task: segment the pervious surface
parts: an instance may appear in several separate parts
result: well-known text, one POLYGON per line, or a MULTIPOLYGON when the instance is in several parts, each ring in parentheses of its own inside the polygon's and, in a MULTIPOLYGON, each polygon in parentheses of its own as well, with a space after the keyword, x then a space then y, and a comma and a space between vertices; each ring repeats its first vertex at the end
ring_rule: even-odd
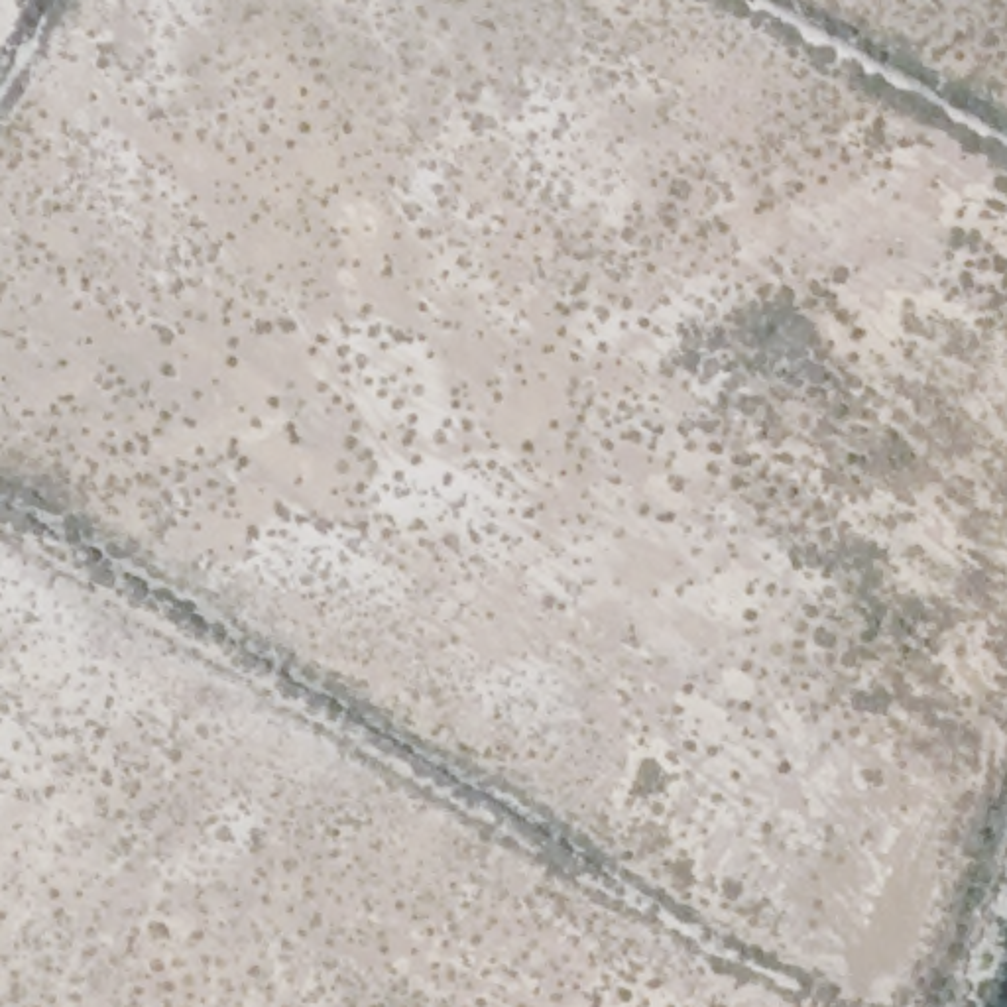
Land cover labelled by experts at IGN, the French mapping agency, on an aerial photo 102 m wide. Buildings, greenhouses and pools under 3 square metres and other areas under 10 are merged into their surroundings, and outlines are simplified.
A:
POLYGON ((956 991, 944 1007, 1007 1007, 1007 897, 999 893, 972 909, 968 960, 956 964, 956 991))
POLYGON ((791 24, 806 43, 834 51, 834 59, 822 71, 814 71, 814 63, 787 55, 787 47, 771 31, 751 28, 740 16, 716 12, 704 0, 79 0, 79 8, 71 8, 63 24, 51 31, 47 59, 35 55, 35 39, 20 47, 16 67, 31 83, 24 98, 8 114, 0 114, 0 448, 20 448, 28 456, 59 452, 63 468, 71 472, 71 511, 138 539, 142 551, 153 551, 142 566, 134 566, 130 559, 114 559, 110 582, 98 586, 87 570, 87 555, 79 555, 67 539, 24 535, 24 543, 16 543, 12 551, 0 543, 0 1007, 791 1007, 779 995, 767 995, 771 983, 799 987, 791 976, 775 968, 747 960, 747 983, 712 972, 712 956, 736 960, 736 952, 724 948, 728 932, 791 964, 826 972, 826 979, 838 983, 842 999, 881 1007, 885 1007, 897 987, 913 983, 913 968, 928 956, 932 936, 944 920, 944 905, 956 897, 956 885, 968 869, 968 854, 944 838, 944 830, 952 826, 956 799, 964 791, 987 791, 987 779, 1007 783, 1007 130, 952 106, 948 83, 960 79, 987 102, 1007 98, 1007 0, 814 0, 822 8, 834 8, 842 20, 865 20, 873 28, 873 39, 885 39, 885 31, 905 35, 909 51, 940 75, 932 87, 924 87, 889 63, 869 59, 854 43, 814 28, 802 16, 806 0, 751 0, 751 12, 767 12, 791 24), (869 94, 858 94, 850 87, 850 67, 861 67, 865 75, 932 102, 952 122, 987 138, 983 149, 964 153, 936 126, 924 126, 873 102, 869 94), (535 822, 559 818, 574 834, 586 834, 606 854, 602 873, 570 881, 547 873, 543 865, 535 865, 539 846, 507 818, 460 799, 433 775, 413 771, 409 759, 378 747, 362 728, 334 720, 326 708, 311 708, 299 696, 283 696, 275 677, 244 669, 216 641, 205 641, 193 629, 169 622, 165 614, 138 606, 126 590, 126 574, 173 590, 177 598, 193 602, 208 622, 220 622, 232 637, 244 637, 248 629, 264 637, 283 637, 299 661, 330 669, 342 681, 362 681, 370 700, 389 708, 393 724, 409 720, 413 732, 429 740, 425 751, 433 763, 448 763, 452 775, 460 775, 472 787, 488 787, 496 799, 511 802, 519 814, 535 822))

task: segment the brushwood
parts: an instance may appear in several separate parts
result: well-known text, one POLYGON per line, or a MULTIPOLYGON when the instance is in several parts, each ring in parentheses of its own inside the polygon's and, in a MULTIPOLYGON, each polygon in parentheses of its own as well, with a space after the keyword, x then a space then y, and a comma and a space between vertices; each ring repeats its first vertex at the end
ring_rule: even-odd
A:
POLYGON ((51 31, 63 24, 71 8, 79 8, 79 0, 0 0, 0 114, 8 114, 24 98, 31 83, 16 67, 20 47, 35 39, 35 55, 47 59, 51 31))
POLYGON ((283 637, 264 637, 248 629, 244 637, 232 637, 220 622, 208 622, 193 602, 177 598, 173 590, 126 574, 126 590, 138 606, 165 614, 169 622, 193 629, 205 641, 216 641, 244 669, 275 677, 283 696, 299 696, 311 708, 326 708, 334 720, 362 728, 378 747, 409 759, 413 771, 433 775, 460 799, 507 818, 539 846, 535 865, 543 865, 547 873, 570 881, 602 873, 606 854, 586 834, 574 834, 559 818, 535 822, 519 814, 511 802, 496 799, 488 787, 472 787, 460 775, 452 775, 448 763, 433 763, 425 751, 429 740, 413 732, 409 720, 393 724, 389 708, 370 700, 362 681, 342 681, 330 669, 299 661, 283 637))
POLYGON ((712 956, 712 972, 747 983, 747 960, 775 968, 791 976, 799 987, 771 983, 767 995, 779 995, 791 1007, 881 1007, 842 999, 838 983, 826 979, 826 972, 791 964, 728 932, 724 948, 736 952, 736 960, 712 956))
POLYGON ((87 555, 87 570, 98 586, 110 582, 114 559, 130 559, 134 566, 142 566, 153 551, 142 551, 138 539, 71 511, 71 472, 63 468, 59 452, 28 456, 20 448, 0 448, 0 543, 12 551, 16 543, 24 543, 24 535, 67 539, 79 555, 87 555))
POLYGON ((944 838, 968 854, 968 869, 956 885, 956 897, 944 905, 944 920, 932 936, 928 956, 913 968, 913 983, 897 987, 885 1007, 944 1007, 956 991, 956 964, 968 960, 972 909, 999 893, 1007 897, 1007 783, 987 779, 987 791, 964 791, 956 799, 952 826, 944 830, 944 838))
POLYGON ((932 87, 940 75, 909 51, 905 35, 885 31, 885 39, 873 39, 873 28, 865 20, 842 20, 834 8, 822 8, 814 0, 806 0, 802 16, 814 28, 854 43, 869 59, 889 63, 924 87, 932 87))
POLYGON ((861 67, 850 67, 850 87, 858 94, 869 94, 873 102, 924 126, 936 126, 964 153, 983 149, 987 138, 952 122, 932 102, 865 75, 861 67))
POLYGON ((751 0, 704 0, 716 12, 740 16, 751 28, 771 31, 787 47, 787 55, 814 63, 814 71, 822 71, 834 59, 834 51, 806 43, 791 24, 767 12, 751 12, 751 0))
POLYGON ((952 106, 1007 130, 1007 98, 987 102, 960 79, 948 83, 952 106))

